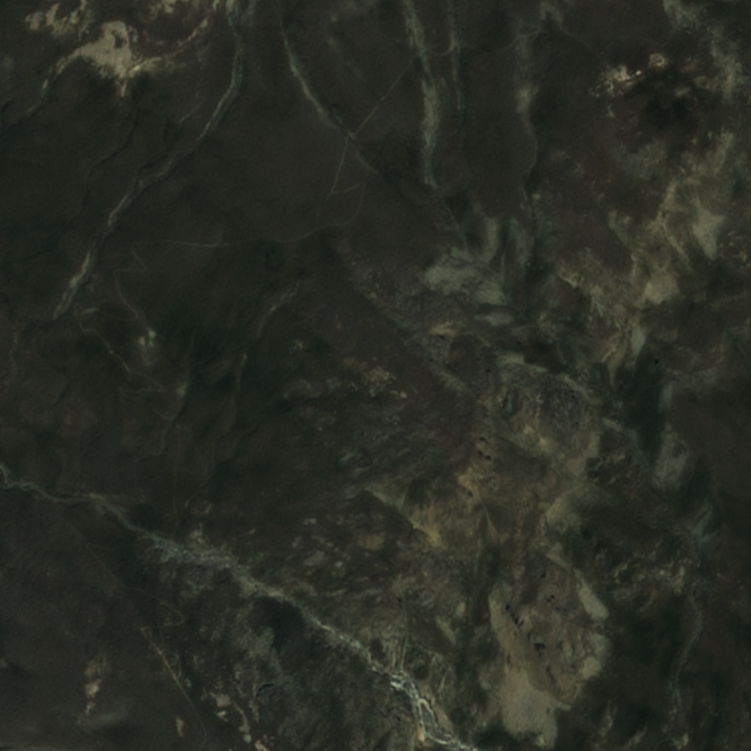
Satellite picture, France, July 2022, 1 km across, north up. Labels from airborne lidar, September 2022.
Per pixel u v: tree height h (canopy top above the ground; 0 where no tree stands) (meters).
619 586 0
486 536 0
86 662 0
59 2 0
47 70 0
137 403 0
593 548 0
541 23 0
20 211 0
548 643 0
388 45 0
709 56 0
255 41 0
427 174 0
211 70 0
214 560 0
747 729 0
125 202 0
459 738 0
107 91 0
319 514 0
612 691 0
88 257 0
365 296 0
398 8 0
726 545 0
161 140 0
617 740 0
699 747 0
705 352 0
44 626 0
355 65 0
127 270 0
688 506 0
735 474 0
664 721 0
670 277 0
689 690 0
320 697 0
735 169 0
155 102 0
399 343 0
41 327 0
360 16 0
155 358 0
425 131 0
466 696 0
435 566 0
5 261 0
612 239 0
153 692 0
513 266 0
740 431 0
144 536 0
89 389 0
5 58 0
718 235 0
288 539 0
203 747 0
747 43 0
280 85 0
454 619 0
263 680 0
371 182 0
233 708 0
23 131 0
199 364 0
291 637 0
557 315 0
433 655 0
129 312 0
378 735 9
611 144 0
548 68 0
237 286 0
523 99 0
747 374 0
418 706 0
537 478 0
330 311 0
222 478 0
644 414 0
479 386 0
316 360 0
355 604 0
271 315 0
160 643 0
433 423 0
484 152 0
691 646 0
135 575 0
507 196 0
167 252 0
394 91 0
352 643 0
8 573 0
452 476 0
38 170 0
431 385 0
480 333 0
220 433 0
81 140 0
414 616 0
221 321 0
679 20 0
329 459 0
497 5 0
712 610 0
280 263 0
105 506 0
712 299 0
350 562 0
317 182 0
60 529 0
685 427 0
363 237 0
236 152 0
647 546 0
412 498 0
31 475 0
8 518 0
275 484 0
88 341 0
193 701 0
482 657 0
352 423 0
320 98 0
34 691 0
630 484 0
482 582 0
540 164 0
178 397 0
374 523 0
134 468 0
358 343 0
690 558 0
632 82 0
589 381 0
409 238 0
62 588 0
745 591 0
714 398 0
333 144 0
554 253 0
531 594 0
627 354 0
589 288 0
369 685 0
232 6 0
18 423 0
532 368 0
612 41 0
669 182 0
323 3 0
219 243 0
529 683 0
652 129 0
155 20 0
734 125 0
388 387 0
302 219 0
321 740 0
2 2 0
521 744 0
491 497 0
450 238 0
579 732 0
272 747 0
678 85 0
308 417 0
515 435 0
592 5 0
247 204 0
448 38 0
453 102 0
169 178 0
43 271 0
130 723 0
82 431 0
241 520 0
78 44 0
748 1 0
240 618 0
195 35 0
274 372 0
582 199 0
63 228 0
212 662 0
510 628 0
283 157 0
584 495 0
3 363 0
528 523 0
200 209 0
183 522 0
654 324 0
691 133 0
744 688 0
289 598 0
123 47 0
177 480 0
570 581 0
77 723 0
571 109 0
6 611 0
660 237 0
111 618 0
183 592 0
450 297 0
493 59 0
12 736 0
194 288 0
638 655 0
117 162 0
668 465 0
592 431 0
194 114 0
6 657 0
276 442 0
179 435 0
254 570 0
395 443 0
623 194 0
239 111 0
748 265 0
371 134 0
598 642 0
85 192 0
